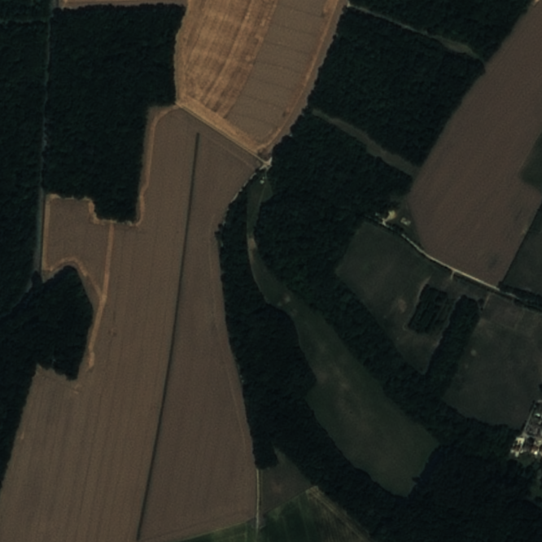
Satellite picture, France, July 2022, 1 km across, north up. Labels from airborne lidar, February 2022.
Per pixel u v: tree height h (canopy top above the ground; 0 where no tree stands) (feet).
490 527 54
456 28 60
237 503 0
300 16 0
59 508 0
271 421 69
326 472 60
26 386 76
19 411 57
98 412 0
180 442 0
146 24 66
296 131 60
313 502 0
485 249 0
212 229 0
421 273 0
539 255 0
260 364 54
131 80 66
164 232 0
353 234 68
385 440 0
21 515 0
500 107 0
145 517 0
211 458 0
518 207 0
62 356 70
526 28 0
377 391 0
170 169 0
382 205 40
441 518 71
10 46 61
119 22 51
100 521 0
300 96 0
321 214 27
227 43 0
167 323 0
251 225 0
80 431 0
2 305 60
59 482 0
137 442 0
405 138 54
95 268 0
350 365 0
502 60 0
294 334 79
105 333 0
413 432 0
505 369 0
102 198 55
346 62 51
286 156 56
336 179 66
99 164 64
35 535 0
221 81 0
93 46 60
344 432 0
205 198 0
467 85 57
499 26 67
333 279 57
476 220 0
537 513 56
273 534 0
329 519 0
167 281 0
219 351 0
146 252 0
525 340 0
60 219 0
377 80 47
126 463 0
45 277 0
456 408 0
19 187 61
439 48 46
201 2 0
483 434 62
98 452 0
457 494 128
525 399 0
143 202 0
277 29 0
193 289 0
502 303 0
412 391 75
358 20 56
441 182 0
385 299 0
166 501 0
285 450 55
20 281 63
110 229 0
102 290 0
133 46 74
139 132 61
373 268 0
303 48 0
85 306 65
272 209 44
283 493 0
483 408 0
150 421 0
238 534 0
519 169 0
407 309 0
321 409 0
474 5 22
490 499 73
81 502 0
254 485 0
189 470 0
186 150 0
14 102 50
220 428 0
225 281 60
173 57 41
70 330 80
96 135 64
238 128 0
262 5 0
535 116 0
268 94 0
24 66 45
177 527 0
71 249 0
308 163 52
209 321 0
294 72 0
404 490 0
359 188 55
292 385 64
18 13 24
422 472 0
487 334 0
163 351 0
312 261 54
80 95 59
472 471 125
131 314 0
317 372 0
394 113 41
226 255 62
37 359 63
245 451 0
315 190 67
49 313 66
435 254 0
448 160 0
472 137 0
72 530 0
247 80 0
